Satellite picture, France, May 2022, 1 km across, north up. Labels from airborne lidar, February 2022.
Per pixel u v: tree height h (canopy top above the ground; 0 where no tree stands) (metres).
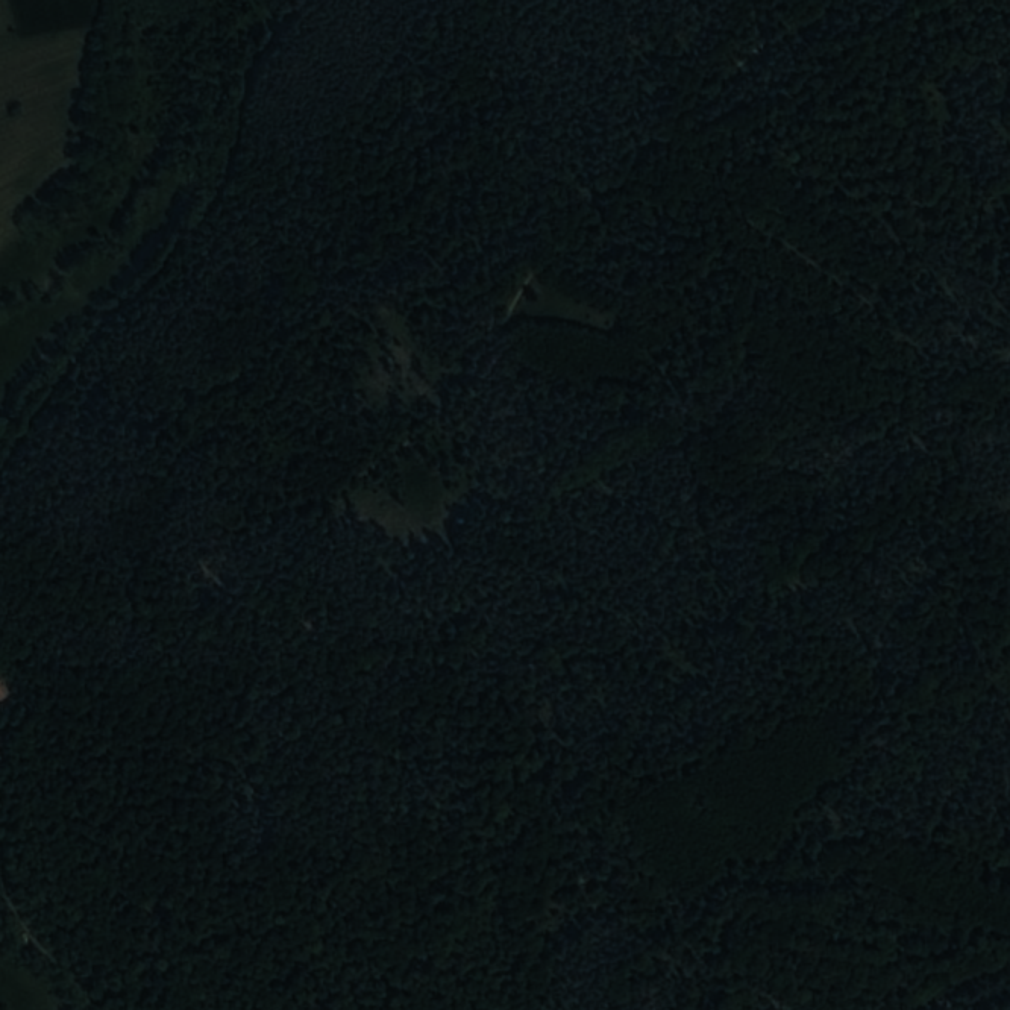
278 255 31
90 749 31
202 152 25
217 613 26
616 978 25
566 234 25
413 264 28
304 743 27
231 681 27
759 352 27
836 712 14
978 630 25
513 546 28
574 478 27
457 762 32
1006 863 12
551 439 31
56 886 27
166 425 22
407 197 6
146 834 27
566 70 33
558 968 24
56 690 25
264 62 23
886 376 22
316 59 26
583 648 27
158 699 33
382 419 7
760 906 30
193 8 25
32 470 23
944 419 26
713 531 25
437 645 30
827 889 27
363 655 25
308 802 26
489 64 24
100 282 0
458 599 33
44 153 0
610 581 31
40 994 0
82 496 29
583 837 26
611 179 27
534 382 24
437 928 26
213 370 14
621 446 28
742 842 15
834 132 29
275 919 29
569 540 23
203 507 28
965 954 25
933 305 23
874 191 25
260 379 13
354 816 28
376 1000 29
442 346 14
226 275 15
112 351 30
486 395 23
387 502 0
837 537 23
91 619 24
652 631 29
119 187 25
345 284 29
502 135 24
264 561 30
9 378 0
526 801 29
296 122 24
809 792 13
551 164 29
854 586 27
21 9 0
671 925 29
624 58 32
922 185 25
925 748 29
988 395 25
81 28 0
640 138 18
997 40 24
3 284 0
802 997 26
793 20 24
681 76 28
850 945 31
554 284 23
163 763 30
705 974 12
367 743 30
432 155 26
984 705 31
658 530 30
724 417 23
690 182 27
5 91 0
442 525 0
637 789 23
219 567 26
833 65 26
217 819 26
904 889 18
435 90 24
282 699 25
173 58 0
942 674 26
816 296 7
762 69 28
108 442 31
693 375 29
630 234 24
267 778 28
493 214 27
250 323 16
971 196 27
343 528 31
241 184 24
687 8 31
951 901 16
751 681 31
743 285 29
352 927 29
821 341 26
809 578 27
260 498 17
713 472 27
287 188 25
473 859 28
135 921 28
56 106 0
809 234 27
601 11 29
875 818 27
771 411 26
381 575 29
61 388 25
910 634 25
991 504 21
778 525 24
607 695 28
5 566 21
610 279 27
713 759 15
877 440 23
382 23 25
